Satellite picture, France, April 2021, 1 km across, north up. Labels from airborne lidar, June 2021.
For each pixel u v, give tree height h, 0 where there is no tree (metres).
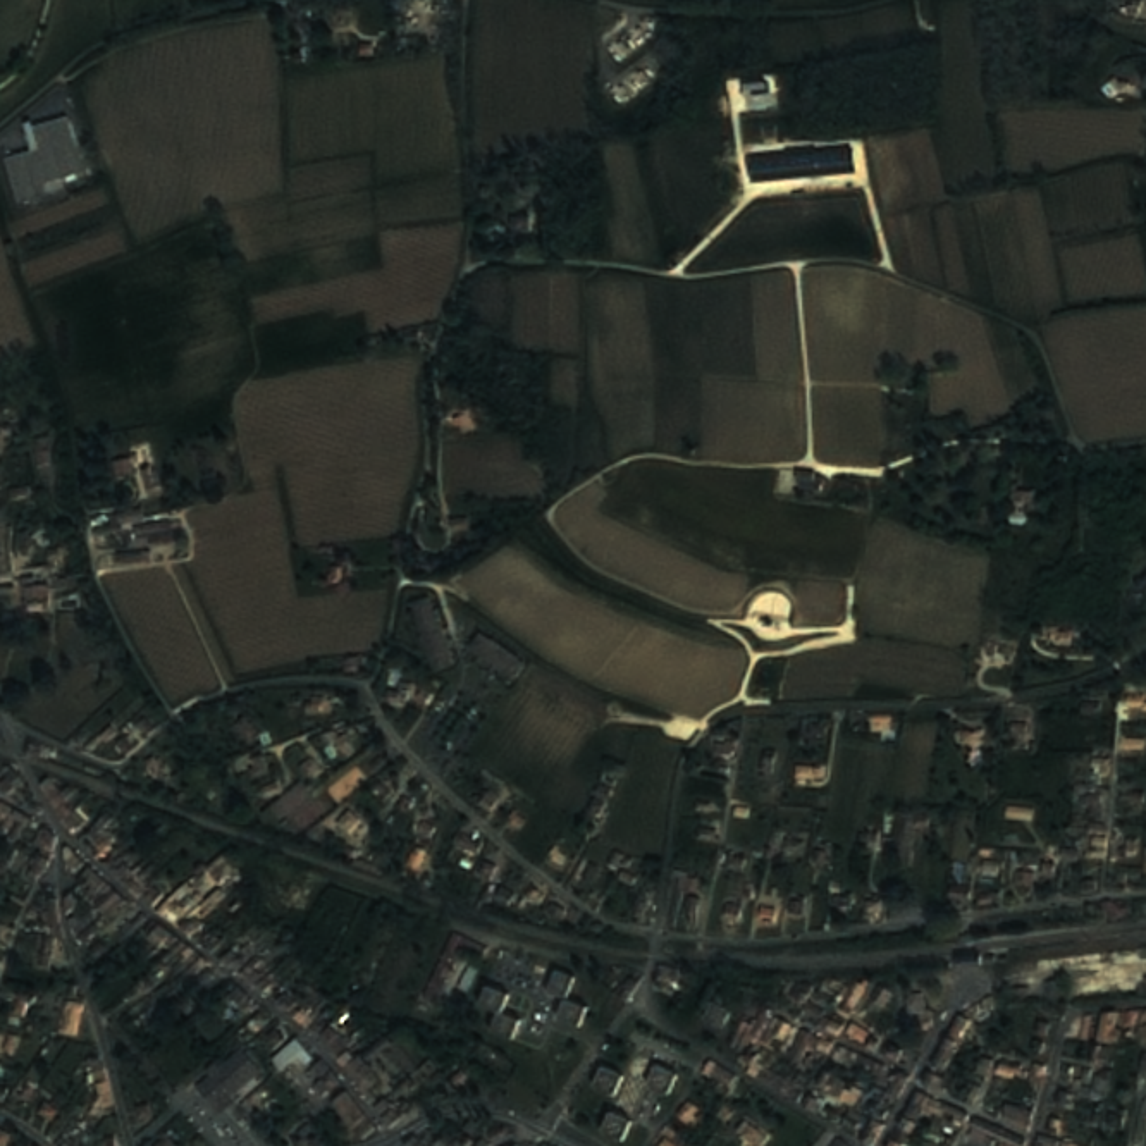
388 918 10
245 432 0
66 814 0
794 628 0
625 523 0
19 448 7
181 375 0
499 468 0
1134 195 0
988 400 0
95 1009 0
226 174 0
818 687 0
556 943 0
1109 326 0
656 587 0
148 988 12
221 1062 7
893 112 23
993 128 8
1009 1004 11
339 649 0
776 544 0
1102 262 0
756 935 0
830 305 0
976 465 9
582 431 0
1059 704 6
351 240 0
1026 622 7
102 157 11
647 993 0
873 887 0
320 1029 0
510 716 0
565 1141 0
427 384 9
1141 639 15
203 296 0
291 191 0
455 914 13
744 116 0
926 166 0
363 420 0
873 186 0
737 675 0
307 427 0
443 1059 7
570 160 17
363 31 0
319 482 0
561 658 0
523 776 0
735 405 0
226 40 0
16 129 0
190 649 0
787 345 0
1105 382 0
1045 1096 0
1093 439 0
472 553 10
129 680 17
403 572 12
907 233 0
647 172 0
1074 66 6
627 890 12
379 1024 7
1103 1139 13
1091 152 0
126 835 7
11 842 11
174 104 0
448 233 0
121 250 0
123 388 0
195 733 14
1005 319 0
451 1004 11
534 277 0
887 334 0
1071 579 6
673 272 0
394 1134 0
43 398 10
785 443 0
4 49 0
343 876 0
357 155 0
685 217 0
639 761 0
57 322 0
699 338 0
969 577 0
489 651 0
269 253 0
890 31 0
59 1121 6
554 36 0
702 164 0
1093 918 8
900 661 0
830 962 0
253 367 0
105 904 0
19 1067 6
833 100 21
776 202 0
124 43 10
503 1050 7
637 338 0
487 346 21
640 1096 0
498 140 0
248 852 16
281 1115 8
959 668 0
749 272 0
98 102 0
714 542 0
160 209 0
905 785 0
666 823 0
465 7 18
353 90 0
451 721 7
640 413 0
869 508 11
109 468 18
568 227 15
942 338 0
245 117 0
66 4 0
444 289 0
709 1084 7
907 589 0
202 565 0
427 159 0
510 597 0
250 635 0
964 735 0
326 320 0
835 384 0
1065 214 0
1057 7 0
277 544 0
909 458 0
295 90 0
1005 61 19
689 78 9
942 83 12
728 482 0
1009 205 0
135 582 0
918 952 0
